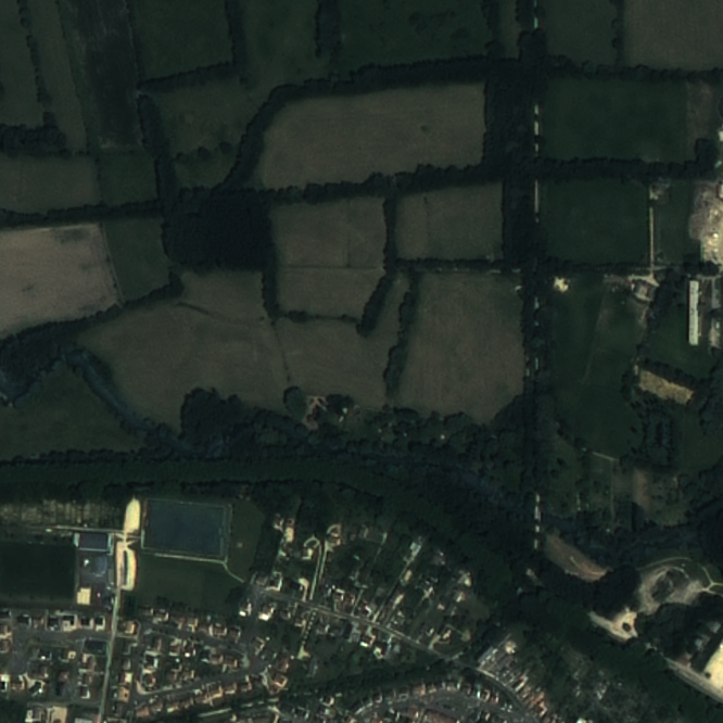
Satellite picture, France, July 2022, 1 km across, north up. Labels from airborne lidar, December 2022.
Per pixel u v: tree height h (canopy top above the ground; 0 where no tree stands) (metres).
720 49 0
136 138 0
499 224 0
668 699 40
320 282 0
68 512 0
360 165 0
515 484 0
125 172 0
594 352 0
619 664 40
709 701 29
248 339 0
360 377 0
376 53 0
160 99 0
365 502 17
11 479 38
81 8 0
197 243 41
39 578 0
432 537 20
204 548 0
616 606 35
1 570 0
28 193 0
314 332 0
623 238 0
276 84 0
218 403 30
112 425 0
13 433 0
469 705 0
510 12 0
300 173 0
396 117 0
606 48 0
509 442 26
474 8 0
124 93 0
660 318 18
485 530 18
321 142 0
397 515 32
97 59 0
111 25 0
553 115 0
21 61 0
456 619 8
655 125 0
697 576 0
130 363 0
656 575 0
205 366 0
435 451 19
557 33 0
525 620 17
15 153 29
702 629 18
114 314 16
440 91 0
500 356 0
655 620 10
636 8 0
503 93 20
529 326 14
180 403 0
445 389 0
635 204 0
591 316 0
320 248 0
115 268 0
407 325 14
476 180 19
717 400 19
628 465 14
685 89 0
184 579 0
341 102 0
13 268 0
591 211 0
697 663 14
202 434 28
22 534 0
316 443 11
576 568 0
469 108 0
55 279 0
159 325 0
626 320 0
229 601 7
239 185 22
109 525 6
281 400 0
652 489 0
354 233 0
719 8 0
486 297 0
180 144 0
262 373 0
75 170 0
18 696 0
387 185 30
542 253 16
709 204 0
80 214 15
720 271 27
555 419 19
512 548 16
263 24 0
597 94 0
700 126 0
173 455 6
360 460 33
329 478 36
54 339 37
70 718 0
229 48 0
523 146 22
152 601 0
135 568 0
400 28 0
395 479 14
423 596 9
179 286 18
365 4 0
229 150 13
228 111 0
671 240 0
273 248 30
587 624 33
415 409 0
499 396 0
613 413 0
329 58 33
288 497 12
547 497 20
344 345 0
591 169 25
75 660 0
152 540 0
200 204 36
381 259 0
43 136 23
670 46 0
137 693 0
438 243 0
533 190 15
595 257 0
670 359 0
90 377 0
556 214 0
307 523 14
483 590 18
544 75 21
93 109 0
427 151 0
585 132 0
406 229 0
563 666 18
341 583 7
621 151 0
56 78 0
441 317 0
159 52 0
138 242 0
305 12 0
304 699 8
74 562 0
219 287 0
